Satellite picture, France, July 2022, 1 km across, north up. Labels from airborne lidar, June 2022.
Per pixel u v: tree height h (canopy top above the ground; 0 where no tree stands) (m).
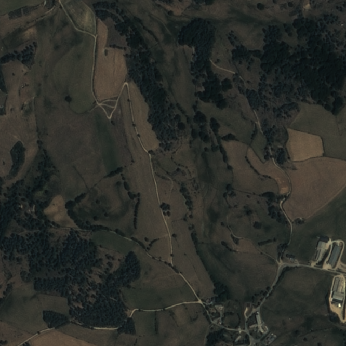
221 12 0
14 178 0
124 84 0
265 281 0
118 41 0
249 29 0
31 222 15
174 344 0
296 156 0
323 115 0
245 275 0
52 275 0
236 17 0
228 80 13
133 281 9
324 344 0
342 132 0
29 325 0
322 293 0
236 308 0
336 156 0
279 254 13
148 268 0
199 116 18
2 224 16
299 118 0
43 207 21
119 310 20
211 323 9
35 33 0
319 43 16
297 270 0
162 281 0
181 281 0
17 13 0
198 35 19
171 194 0
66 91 0
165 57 0
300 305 0
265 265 0
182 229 0
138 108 0
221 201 0
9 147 0
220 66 0
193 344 0
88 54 0
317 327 0
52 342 0
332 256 0
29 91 0
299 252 0
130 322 19
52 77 0
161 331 0
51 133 0
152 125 9
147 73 17
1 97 0
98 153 0
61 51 0
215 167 0
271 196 14
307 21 13
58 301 0
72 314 17
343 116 0
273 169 0
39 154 0
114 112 0
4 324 0
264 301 0
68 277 17
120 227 0
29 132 0
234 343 11
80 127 0
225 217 0
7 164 0
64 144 0
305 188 0
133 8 0
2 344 14
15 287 0
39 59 0
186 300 0
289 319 0
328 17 19
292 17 0
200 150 0
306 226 0
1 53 0
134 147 0
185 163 0
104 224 0
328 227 0
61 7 0
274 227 0
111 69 0
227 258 0
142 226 0
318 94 16
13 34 0
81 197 15
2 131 0
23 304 0
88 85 0
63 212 0
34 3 0
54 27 0
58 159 0
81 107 0
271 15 0
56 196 0
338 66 14
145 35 0
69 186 0
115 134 0
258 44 0
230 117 0
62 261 14
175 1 0
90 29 0
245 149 0
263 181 0
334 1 0
